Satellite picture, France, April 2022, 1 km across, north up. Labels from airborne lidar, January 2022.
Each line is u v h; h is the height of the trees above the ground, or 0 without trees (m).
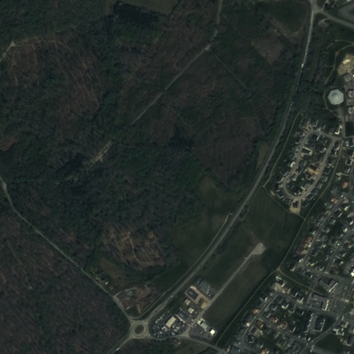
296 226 0
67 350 30
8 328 29
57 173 11
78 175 14
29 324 26
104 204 27
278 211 0
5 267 28
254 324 0
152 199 29
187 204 28
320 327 0
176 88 8
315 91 18
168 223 31
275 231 0
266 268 0
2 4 24
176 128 11
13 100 27
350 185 0
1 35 26
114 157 13
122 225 30
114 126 26
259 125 0
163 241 29
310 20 0
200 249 0
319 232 0
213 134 22
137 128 13
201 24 7
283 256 0
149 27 18
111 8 0
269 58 0
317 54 0
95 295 26
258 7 0
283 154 0
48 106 9
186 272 0
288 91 8
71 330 7
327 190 0
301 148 0
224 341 0
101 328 23
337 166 0
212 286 0
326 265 0
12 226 25
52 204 22
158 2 0
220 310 0
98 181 24
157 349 22
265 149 0
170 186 26
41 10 28
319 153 0
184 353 0
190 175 27
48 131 33
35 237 21
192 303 0
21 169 10
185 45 27
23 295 27
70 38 32
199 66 8
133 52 22
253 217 0
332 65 0
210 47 23
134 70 29
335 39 0
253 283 0
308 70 12
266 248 0
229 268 0
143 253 30
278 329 0
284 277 0
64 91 38
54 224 28
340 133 0
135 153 26
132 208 30
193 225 0
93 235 25
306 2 0
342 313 0
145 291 0
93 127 26
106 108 28
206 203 0
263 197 0
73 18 25
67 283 23
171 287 0
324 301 0
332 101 0
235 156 0
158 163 20
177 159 26
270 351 0
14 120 31
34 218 19
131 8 17
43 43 31
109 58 24
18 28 26
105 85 8
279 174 0
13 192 21
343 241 0
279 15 0
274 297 0
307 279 0
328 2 0
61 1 30
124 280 0
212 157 0
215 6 27
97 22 25
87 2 28
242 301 0
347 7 0
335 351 0
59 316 30
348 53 0
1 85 32
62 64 32
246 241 0
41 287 26
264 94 11
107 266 0
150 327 0
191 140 15
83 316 26
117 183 26
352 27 0
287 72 6
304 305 0
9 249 27
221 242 0
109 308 21
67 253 21
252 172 7
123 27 25
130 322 0
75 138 11
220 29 26
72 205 19
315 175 0
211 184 0
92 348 28
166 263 26
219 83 8
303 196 0
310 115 19
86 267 25
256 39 0
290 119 13
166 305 0
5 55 0
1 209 29
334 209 0
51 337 27
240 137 0
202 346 0
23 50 0
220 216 0
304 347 0
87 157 28
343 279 0
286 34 0
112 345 25
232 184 22
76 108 9
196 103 6
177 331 0
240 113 8
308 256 0
